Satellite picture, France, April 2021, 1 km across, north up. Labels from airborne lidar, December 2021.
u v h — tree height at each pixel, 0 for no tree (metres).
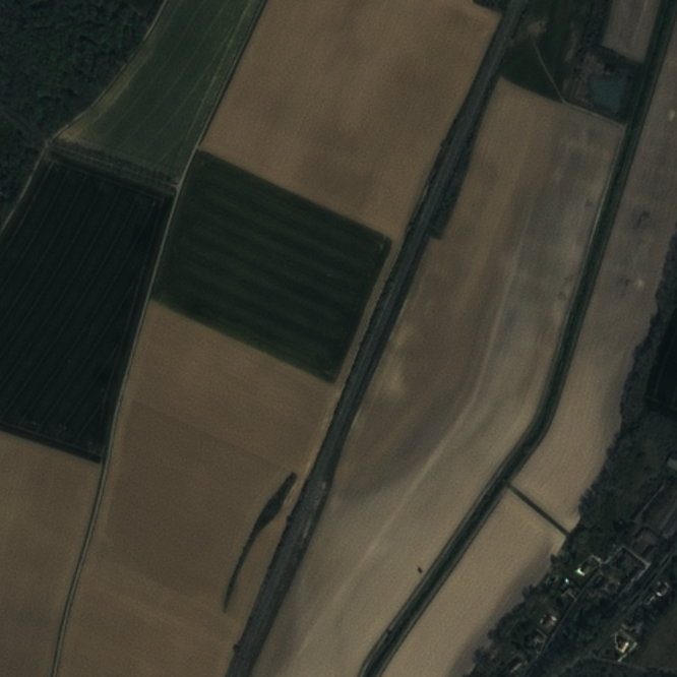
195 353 0
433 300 0
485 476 0
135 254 0
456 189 9
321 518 0
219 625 0
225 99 0
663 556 8
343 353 0
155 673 0
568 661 26
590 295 0
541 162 0
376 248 0
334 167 0
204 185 0
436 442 0
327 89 0
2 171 10
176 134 0
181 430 0
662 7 0
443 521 0
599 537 11
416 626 0
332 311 0
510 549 0
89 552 0
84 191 0
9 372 0
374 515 0
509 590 0
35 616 0
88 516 0
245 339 0
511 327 0
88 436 0
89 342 0
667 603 13
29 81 21
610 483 26
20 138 8
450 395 0
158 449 0
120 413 0
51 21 20
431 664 0
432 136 0
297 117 0
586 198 0
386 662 0
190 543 0
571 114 0
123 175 14
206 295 0
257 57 0
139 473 0
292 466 0
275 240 0
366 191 0
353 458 0
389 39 0
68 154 15
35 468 0
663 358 0
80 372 0
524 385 0
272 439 0
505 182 0
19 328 0
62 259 0
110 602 0
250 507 0
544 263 0
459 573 0
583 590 8
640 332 0
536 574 0
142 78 0
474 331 0
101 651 0
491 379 0
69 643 0
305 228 0
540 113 0
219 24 0
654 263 0
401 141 0
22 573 0
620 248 0
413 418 0
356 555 0
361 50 0
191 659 0
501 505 0
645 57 0
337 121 0
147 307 0
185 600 0
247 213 0
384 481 0
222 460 0
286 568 0
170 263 0
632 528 12
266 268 0
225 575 0
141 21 12
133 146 0
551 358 0
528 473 0
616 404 0
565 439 0
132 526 0
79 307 0
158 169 0
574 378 0
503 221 0
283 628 0
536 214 0
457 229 0
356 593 0
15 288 0
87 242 0
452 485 0
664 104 0
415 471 0
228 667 0
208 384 0
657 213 0
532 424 0
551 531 0
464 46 0
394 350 0
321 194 0
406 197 0
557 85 0
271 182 0
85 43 22
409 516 0
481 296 0
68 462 0
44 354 0
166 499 0
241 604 0
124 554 0
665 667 0
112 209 0
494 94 0
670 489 18
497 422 0
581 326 0
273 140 0
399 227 0
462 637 0
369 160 0
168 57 0
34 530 0
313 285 0
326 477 0
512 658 0
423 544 0
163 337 0
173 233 0
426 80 0
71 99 21
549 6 0
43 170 0
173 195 0
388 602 0
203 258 0
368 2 0
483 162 0
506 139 0
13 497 0
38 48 18
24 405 0
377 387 0
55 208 0
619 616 16
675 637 0
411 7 0
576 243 0
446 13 0
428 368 0
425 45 0
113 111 0
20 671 0
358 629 0
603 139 0
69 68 22
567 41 0
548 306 0
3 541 0
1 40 20
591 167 0
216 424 0
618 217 0
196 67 0
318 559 0
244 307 0
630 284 0
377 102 0
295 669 0
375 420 0
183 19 0
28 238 0
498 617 0
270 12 0
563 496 0
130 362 0
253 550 0
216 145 0
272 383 0
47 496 0
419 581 0
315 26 0
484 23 0
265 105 0
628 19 0
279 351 0
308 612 0
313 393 0
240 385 0
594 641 15
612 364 0
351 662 0
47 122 24
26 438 0
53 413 0
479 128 0
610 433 0
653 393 0
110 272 0
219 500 0
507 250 0
